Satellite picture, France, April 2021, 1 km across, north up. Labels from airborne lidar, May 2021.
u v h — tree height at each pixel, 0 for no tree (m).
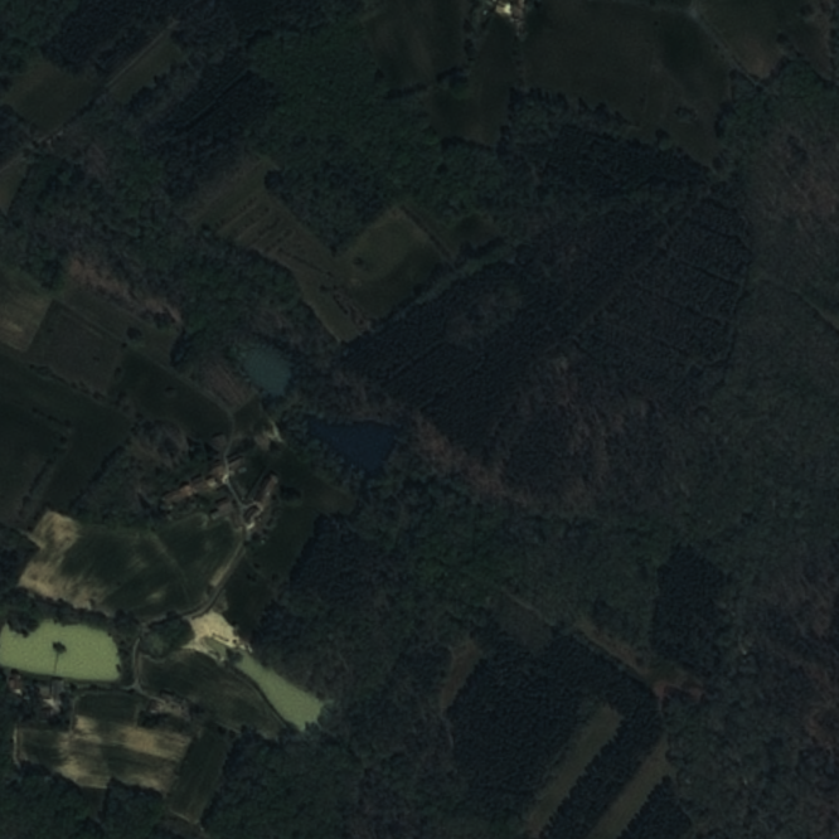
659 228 18
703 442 23
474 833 21
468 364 21
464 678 0
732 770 24
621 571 19
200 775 0
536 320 22
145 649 0
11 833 14
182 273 21
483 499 14
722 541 16
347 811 25
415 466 15
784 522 17
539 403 22
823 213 14
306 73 21
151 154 21
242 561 0
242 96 17
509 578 10
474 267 23
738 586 20
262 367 0
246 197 0
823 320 20
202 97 18
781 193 13
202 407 0
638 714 14
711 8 0
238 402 22
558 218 26
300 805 20
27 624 13
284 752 16
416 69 0
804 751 14
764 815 21
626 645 18
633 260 15
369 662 14
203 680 0
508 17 0
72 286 0
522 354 19
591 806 16
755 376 19
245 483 0
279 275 19
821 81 15
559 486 24
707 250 12
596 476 25
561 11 0
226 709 0
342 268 0
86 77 22
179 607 0
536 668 16
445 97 0
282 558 0
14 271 15
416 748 24
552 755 18
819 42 0
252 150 14
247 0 18
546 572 15
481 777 20
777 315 15
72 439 0
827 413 23
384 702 26
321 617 12
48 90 0
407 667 23
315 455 20
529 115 15
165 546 0
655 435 25
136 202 19
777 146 16
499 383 18
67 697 12
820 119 19
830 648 17
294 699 0
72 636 0
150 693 0
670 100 0
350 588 20
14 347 0
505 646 18
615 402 21
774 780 9
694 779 20
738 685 23
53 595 0
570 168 15
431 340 20
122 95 0
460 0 0
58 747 0
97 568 0
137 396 0
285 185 22
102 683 0
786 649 18
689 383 17
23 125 17
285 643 25
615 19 0
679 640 21
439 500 19
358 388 14
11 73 20
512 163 24
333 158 13
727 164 20
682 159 12
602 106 0
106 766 0
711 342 18
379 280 0
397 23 0
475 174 17
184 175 15
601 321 13
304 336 15
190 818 0
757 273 19
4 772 22
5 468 0
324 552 22
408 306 14
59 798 22
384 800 18
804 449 20
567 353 11
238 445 0
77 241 17
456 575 16
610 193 6
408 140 19
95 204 16
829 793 11
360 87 21
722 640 19
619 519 25
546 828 0
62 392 0
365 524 17
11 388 0
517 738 18
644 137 0
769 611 13
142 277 18
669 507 26
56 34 20
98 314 0
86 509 14
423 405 18
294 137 17
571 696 14
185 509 7
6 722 23
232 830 18
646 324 12
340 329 0
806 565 11
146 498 10
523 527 21
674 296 13
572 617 19
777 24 0
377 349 19
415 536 17
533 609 9
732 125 22
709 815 17
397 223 0
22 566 17
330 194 11
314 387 17
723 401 18
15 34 21
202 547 0
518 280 21
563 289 17
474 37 13
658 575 20
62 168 6
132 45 12
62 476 0
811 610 12
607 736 0
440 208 18
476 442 15
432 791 17
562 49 0
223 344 23
